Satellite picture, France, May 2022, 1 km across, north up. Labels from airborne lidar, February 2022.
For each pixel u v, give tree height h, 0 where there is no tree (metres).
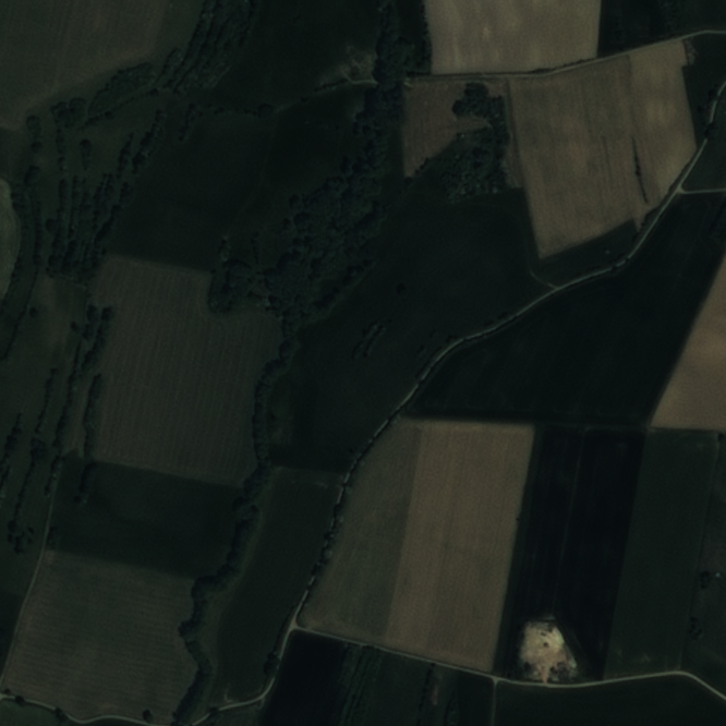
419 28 0
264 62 0
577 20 0
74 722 0
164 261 0
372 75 0
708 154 0
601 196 0
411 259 0
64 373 0
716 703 0
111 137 0
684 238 0
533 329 0
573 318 0
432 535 0
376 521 0
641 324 0
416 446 0
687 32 0
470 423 0
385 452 0
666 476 0
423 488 0
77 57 0
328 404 0
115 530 0
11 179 0
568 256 0
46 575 0
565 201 0
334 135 0
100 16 0
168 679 0
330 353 0
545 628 0
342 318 0
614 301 0
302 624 0
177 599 0
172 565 0
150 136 13
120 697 0
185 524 0
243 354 0
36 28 0
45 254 0
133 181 0
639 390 0
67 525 0
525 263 0
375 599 0
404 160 0
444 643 0
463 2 0
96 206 12
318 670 0
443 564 0
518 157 0
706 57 0
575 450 0
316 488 0
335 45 0
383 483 0
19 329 6
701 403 0
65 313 0
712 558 0
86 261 9
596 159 0
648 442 0
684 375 0
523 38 0
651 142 0
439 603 0
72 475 0
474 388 0
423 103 0
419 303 0
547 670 0
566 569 0
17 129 0
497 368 0
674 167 0
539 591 0
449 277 0
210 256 0
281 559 0
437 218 0
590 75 0
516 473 0
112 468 0
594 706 0
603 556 0
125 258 0
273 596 0
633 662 0
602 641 0
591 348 0
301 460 0
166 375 0
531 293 0
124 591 0
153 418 0
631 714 0
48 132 0
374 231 18
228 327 0
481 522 0
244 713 0
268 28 0
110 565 0
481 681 0
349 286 12
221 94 0
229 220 0
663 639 0
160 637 0
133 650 0
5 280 0
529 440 0
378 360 0
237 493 0
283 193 0
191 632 20
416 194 0
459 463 0
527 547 0
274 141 0
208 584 18
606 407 0
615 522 0
